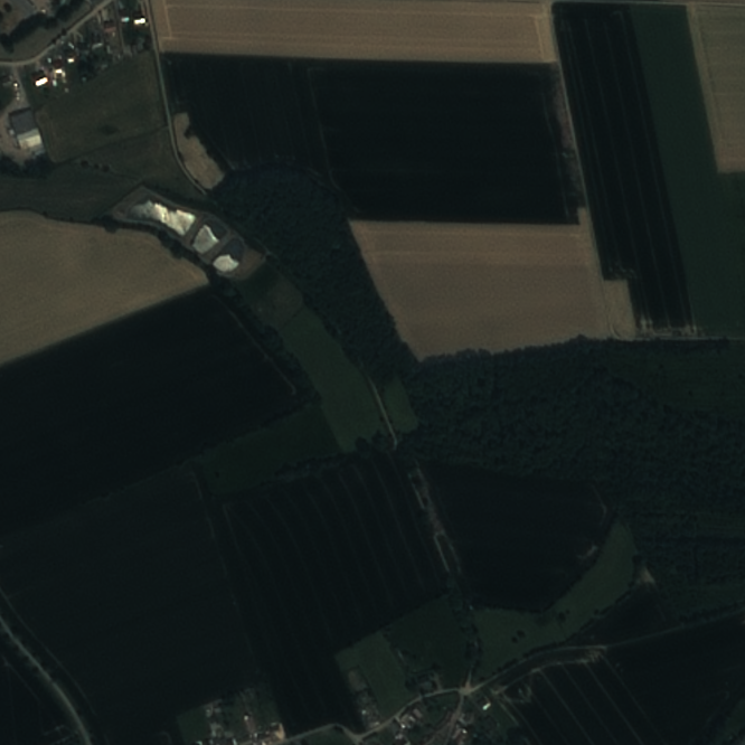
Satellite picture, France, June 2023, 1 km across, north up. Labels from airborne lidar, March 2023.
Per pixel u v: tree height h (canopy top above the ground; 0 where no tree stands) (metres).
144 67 0
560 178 0
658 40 0
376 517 0
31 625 0
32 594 0
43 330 0
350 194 0
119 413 0
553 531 0
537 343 0
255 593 0
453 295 0
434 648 0
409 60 0
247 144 0
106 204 0
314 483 0
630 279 0
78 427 0
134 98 0
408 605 0
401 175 0
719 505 16
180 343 0
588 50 0
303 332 0
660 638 0
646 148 0
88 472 0
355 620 0
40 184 0
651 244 0
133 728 0
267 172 18
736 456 15
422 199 0
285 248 17
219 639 0
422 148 0
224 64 0
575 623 0
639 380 0
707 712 0
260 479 0
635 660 0
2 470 0
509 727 0
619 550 0
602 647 0
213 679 0
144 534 0
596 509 0
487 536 0
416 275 0
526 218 0
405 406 0
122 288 0
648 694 0
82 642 0
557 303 0
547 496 0
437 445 19
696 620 15
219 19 0
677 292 0
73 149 0
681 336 0
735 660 0
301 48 0
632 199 0
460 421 21
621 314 0
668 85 0
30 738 0
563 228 0
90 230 0
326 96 0
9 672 0
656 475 18
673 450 16
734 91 0
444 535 0
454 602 19
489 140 0
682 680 0
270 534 0
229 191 20
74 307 0
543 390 17
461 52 0
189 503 0
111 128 0
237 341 0
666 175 0
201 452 7
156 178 0
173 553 0
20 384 0
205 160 0
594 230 0
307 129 0
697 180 0
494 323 0
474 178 0
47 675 0
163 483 0
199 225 0
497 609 6
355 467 0
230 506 0
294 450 0
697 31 0
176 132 0
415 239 0
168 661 0
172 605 0
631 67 0
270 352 0
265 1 0
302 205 22
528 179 0
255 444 0
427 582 0
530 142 0
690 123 0
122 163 0
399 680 0
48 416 0
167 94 0
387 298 0
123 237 0
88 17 0
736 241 0
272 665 0
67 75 0
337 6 0
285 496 0
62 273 0
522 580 0
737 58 0
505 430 23
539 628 0
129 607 0
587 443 21
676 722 0
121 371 0
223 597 0
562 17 0
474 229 0
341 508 0
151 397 0
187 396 0
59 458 0
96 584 0
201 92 0
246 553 0
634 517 6
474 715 0
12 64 0
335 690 0
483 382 22
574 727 0
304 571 0
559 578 0
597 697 0
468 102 0
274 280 0
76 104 0
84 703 0
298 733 0
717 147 0
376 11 0
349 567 0
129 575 0
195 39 0
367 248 0
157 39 0
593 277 0
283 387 0
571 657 0
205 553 0
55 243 0
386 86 0
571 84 0
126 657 0
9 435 0
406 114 0
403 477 0
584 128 0
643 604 0
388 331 18
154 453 0
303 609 0
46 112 0
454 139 0
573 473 18
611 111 0
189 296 0
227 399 0
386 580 0
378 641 0
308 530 0
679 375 0
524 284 0
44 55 0
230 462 0
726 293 0
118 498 0
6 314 0
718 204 0
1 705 0
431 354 0
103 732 0
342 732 7
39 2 0
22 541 0
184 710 0
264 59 0
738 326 0
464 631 15
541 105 0
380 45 0
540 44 0
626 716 0
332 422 0
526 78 0
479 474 0
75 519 0
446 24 0
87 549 0
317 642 0
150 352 0
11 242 0
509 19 0
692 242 0
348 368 0
